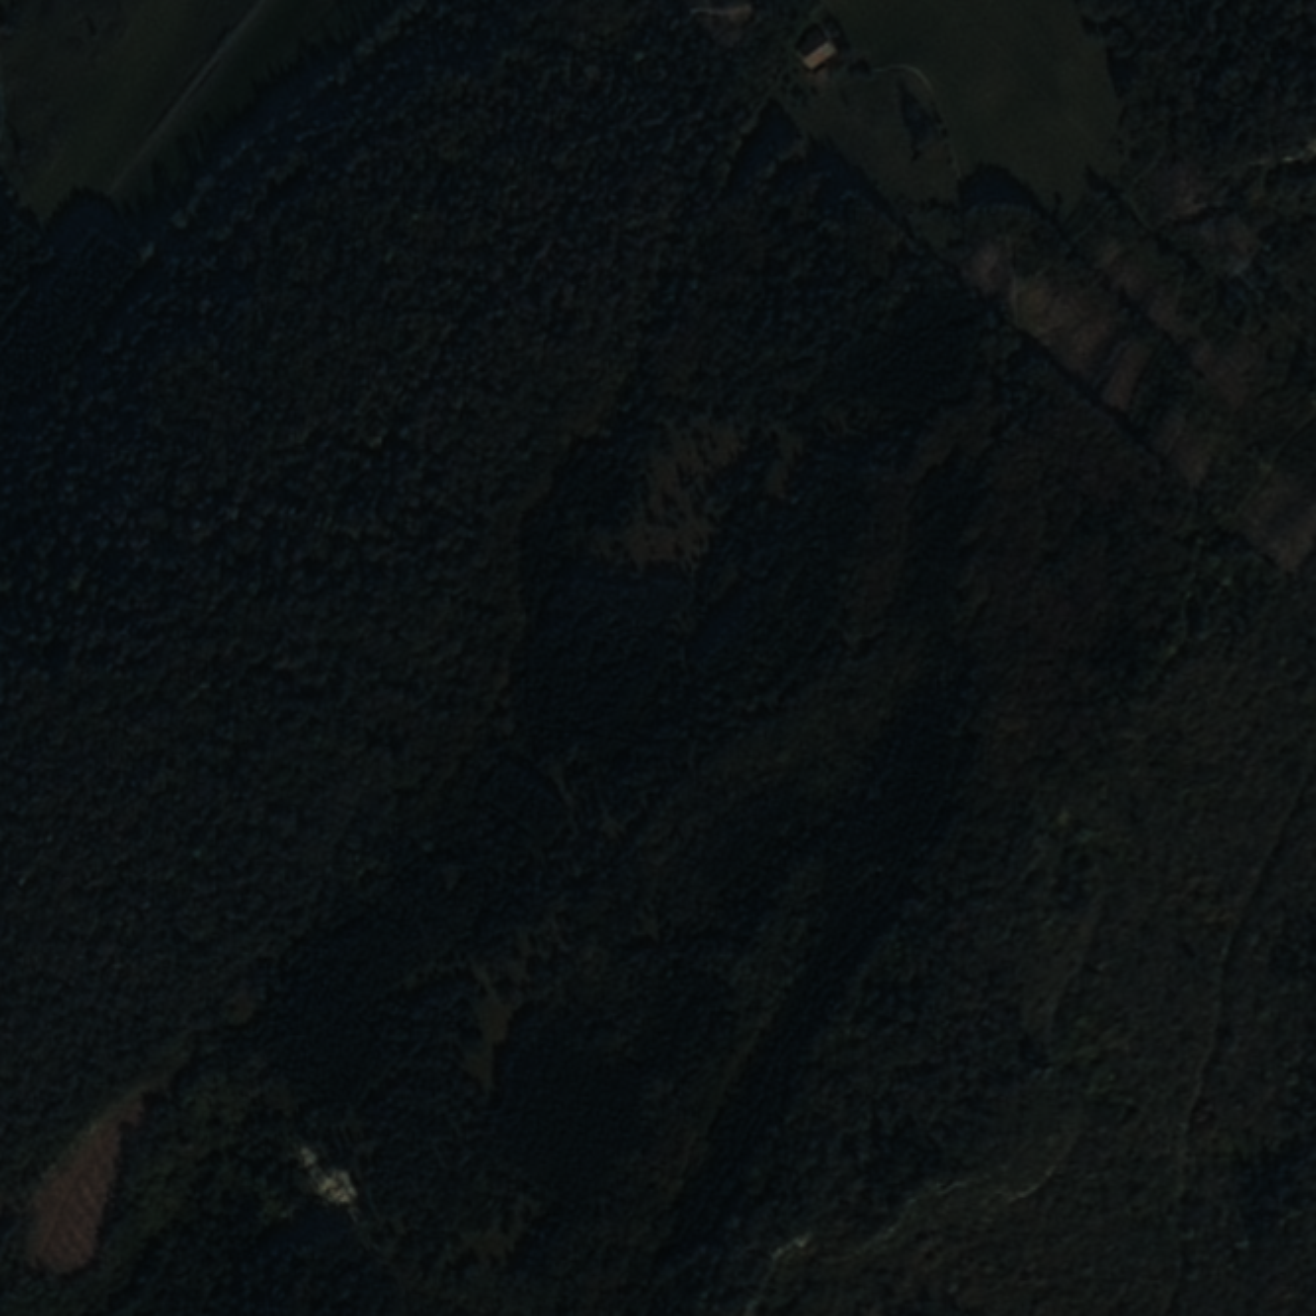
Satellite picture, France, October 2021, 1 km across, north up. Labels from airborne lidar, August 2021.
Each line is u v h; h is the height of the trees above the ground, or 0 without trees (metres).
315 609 17
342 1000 24
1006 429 25
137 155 0
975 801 23
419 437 19
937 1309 16
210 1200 18
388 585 19
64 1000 9
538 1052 22
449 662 11
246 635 17
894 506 28
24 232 25
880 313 12
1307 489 11
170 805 12
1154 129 13
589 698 17
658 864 12
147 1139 16
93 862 16
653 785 9
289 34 0
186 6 0
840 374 18
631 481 8
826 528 10
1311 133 7
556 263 15
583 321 18
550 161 18
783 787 16
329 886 19
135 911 9
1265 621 19
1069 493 30
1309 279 8
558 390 11
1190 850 16
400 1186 9
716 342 12
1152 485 23
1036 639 30
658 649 17
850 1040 14
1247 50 23
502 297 17
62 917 15
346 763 8
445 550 10
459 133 18
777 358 16
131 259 25
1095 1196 15
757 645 17
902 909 24
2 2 0
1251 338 9
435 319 17
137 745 16
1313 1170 17
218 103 0
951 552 21
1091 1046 23
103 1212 21
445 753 22
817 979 22
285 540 11
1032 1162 6
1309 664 23
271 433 14
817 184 13
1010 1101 9
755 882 11
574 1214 20
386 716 18
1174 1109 14
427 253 15
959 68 0
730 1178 24
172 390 16
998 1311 10
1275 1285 19
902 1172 8
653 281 13
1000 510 28
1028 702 33
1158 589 19
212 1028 16
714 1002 17
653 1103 19
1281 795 22
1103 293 19
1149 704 18
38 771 14
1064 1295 16
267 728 16
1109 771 18
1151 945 18
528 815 22
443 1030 14
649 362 27
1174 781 17
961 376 18
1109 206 13
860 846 20
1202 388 14
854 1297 15
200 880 13
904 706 15
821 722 12
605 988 13
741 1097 22
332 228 17
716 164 27
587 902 17
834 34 14
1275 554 10
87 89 0
